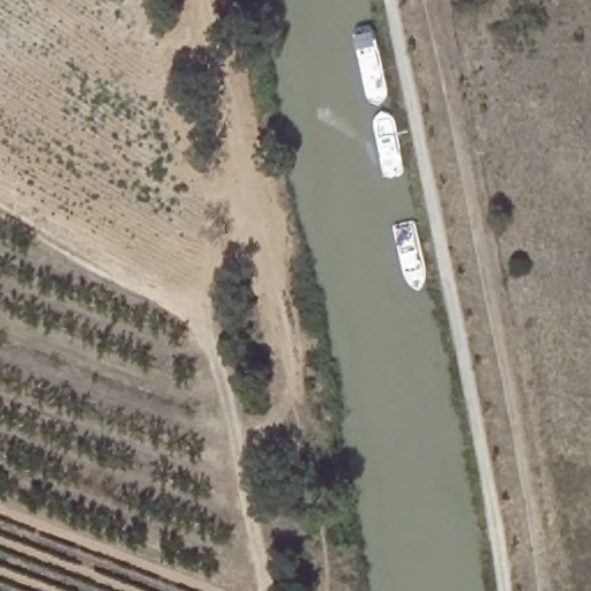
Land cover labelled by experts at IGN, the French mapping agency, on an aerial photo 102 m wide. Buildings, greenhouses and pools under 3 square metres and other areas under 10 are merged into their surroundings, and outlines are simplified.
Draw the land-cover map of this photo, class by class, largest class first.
<instances>
[{"label":"herbaceous vegetation","instance_id":"1","mask_svg":"<svg viewBox=\"0 0 591 591\"><path fill-rule=\"evenodd\" d=\"M217 18L215 0H185L178 25L162 37L152 35L150 30V18L145 14L143 0H0V143L9 150L7 164L21 180L28 182V178H35L42 182L39 201L51 205L53 217L65 212V217L72 219L76 208L92 210L97 199L106 201L109 208H115L122 201L145 203L150 201V187L139 182V169L148 171L155 180H164L166 166L171 162L175 166H182L187 159L185 152L192 145V122H187L178 113L173 102H169L166 83L169 72L173 67V58L180 48L208 46V28ZM69 60H74L78 67L88 72L90 90H109L129 97L134 118L127 120L125 115H115L113 109L106 104L97 109L95 122L90 125L85 122V113L81 111L65 115L62 102L67 88H81L78 78L65 81L60 76L69 69ZM402 30L406 39V53L420 102L432 173L436 180L448 254L455 270L457 296L469 339L471 367L482 411L494 487L499 494V510L503 519L513 591H591V0H531L547 9L549 23L547 28L531 30V35L536 37L538 53L533 60H529L526 53H513L508 46L496 44L489 32V25L494 21L508 16L510 0H492V5L480 7V12L469 9L462 14L452 9V0H397ZM494 194H506L513 203V219L503 235H494L485 222ZM515 252H526L531 256V270L529 275L513 277L508 286H501V268L510 265V256ZM305 404L312 409L316 402L323 399L326 376L305 365ZM312 448H330L328 429L321 427L316 420L309 432H302ZM263 538L270 545L272 531H293L302 536L305 524L298 517H270L265 524H261ZM309 561L321 573L316 591H351L349 584L339 582V577L353 575L356 563L362 561L365 554V549H360L358 543L349 547H335L328 543V529L319 526L316 538H309L302 545Z\"/></svg>","mask_w":591,"mask_h":591},{"label":"deciduous trees","instance_id":"2","mask_svg":"<svg viewBox=\"0 0 591 591\"><path fill-rule=\"evenodd\" d=\"M145 14L150 18V30L152 35L162 37L178 25L185 0H143ZM217 18L208 28V46L180 48L173 58V67L169 72L166 83L169 102H173L178 113L187 122H192V145L185 152L187 159L201 173H208L215 166H219V155L215 150H219L226 139V125L219 120L224 78L233 76L235 72H245L249 78L259 125L254 164L261 173L275 178L291 175L300 148V132L282 113V99L275 95V62L289 37L284 0H215ZM369 18L376 23L372 35L376 39L388 90L381 104L383 111L395 120L404 166L402 175L411 180V222L418 229L420 252L425 261L422 289L427 291L434 330L439 335V356L448 369L446 386L450 392L448 397L457 427L464 485L469 489V515L478 538L482 591H496L492 543L487 531L473 434L469 425L457 351L452 344L450 319L441 291L439 263L434 254V240L422 196L418 159L413 150L411 125L404 109L399 72L383 0H369ZM492 5V0H452V9L462 14L469 9L480 12V7ZM549 23L547 9L531 0H510L508 16L494 21L489 25V32L496 44L508 46L513 53H526L529 60H533L538 53L536 37L531 35V30L547 28ZM513 219V203L506 194H494L485 222L494 235H503ZM35 240V231L14 215L0 212V275L18 277V282H32V277H39V289L44 293L55 291L58 298H69L78 302H90L95 298L97 312L111 314V323L102 330L97 326H90V319L83 314L55 312L48 305H37L35 298L23 296L18 291H12V296L7 298L0 286V307L7 309L12 316L25 321L28 326L65 330L72 337H81L99 353H118L125 360L136 362L141 369H150V344H139L125 335H113V326L118 321L143 328V321H150V330L166 335L173 346H178L187 335V323L150 300L129 305L125 289L115 286L113 282H92L83 277L78 284H74L72 275H55L51 265H32L28 261V247ZM259 252V245L249 240L229 242L222 265L215 270L210 298L215 309V323L219 326L217 351L222 356V362L233 369L229 381L242 406V413L265 416L270 411L272 356L256 323V293L252 282L256 275L254 254ZM291 298L300 314V328L307 332V337L316 339V346L309 349L305 356V365L326 376L323 399L316 402L312 409L316 420L321 427L328 429L330 448H312L302 432L296 425H272L265 429L247 432L240 457L242 487L247 492L249 515L261 524H265L270 517H298L305 524L302 536L293 531H272L270 545L268 573L272 577V584L268 591H316L321 573L309 561L302 545L309 538H316L319 526L328 529V543L335 547H349L358 543L360 549H365L362 524L358 515L360 489L356 485V478H360L362 473L365 459L356 448H349L344 441V432L339 425V406H344V386L339 362L332 356L326 291L319 284L312 247H298L289 263ZM531 270V256L526 252H515L510 256V265L501 268V286H508L513 277L529 275ZM196 358L175 356V381L185 383L196 372ZM21 392L48 406H65L74 416L115 425L120 432H132L141 441H150L152 448L159 446L162 434H169V448L187 452L192 462L201 459L203 439L199 436V432L180 434V425H169L166 420L155 418L150 413L134 411L132 416H127L122 406H102V402L92 404L90 395L76 392L67 381L51 383L48 379H39L35 374L21 379V369L16 365L0 360V425L12 427L14 422H21L23 432L28 434L42 429L44 439L60 443L62 448H69L72 441H76L78 452L97 459L102 466L113 469H132L136 455L134 448L106 436L81 434L76 425H65L62 420L42 422L37 420L39 413L32 409H28V413H18ZM81 476L78 464L72 462L69 469H62V459L58 455L44 452L37 446L23 443L5 434L0 436V501H18L30 513L44 510L48 517L60 519L62 524L76 531H88L97 540L122 543L132 552L136 549L139 545H145L148 524L159 519V545L164 559L169 566H182L192 573H203L205 577L212 575L219 568L215 552L208 547H187L178 533L182 529H192V522H199V536H210L217 543H229L233 524L224 522L217 515H210L201 506H189L187 501H180L171 494H155L148 503H143L139 501L141 487L136 482H118L113 476H106L102 480V494L113 499L115 503H127L129 508H136V517L129 524L122 519V513L118 510H109L97 503H85V499L81 496L74 499L72 494H60L51 487L53 480L76 485ZM152 478L173 480L180 489L192 492L194 496H210L208 478H196L185 469L173 466L166 457H159L152 462ZM65 545L85 552V556L109 559L129 570L139 568L129 561L115 559L111 554L90 549L65 538ZM339 582L349 584L351 591H372L369 559L365 554L362 561L356 563L353 575L339 577Z\"/></svg>","mask_w":591,"mask_h":591},{"label":"plowed land","instance_id":"3","mask_svg":"<svg viewBox=\"0 0 591 591\"><path fill-rule=\"evenodd\" d=\"M219 120L226 125V139L219 150H215L219 155V166H215L208 173H201L187 159L182 166H175L171 162L166 166L164 180H155L148 171L139 169V182L150 187H159L162 199H178V205L173 208V212L152 215L145 203L122 201L115 208H109L106 201L97 199L92 210L76 208L72 219L65 217V212L53 217L51 205L39 201L42 182L35 178H28V182L21 180L7 164L9 150L0 143V212L14 215L35 231V240L28 247V261L32 265H51L55 275H72L74 284H78L83 277L92 282H113L115 286L125 289L129 305L150 300L187 323V335L178 346H173L166 335L150 330V321H143V328L118 321L113 326V335H125L139 344H150V369H141L136 362L125 360L118 353H99L81 337H72L65 330L28 326L25 321L12 316L7 309L0 307V360L16 365L21 369V379L35 374L39 379H48L51 383L67 381L76 392L90 395L92 404L102 402V406H122L127 416H132L134 411L150 413L155 418L166 420L169 425H180V434L199 432V436L203 439L201 459L192 462L187 452L169 448V434H162L159 446L152 448L150 441H141L132 432H120L115 425L74 416L65 406H48L21 392L18 413H28V409H32L39 413L37 420L42 422L62 420L65 425H76L81 434L106 436L134 448L136 455L132 469H113L102 466L97 459L78 452L76 441H72L69 448H62L60 443L44 439L42 429L28 434L23 432L21 422H14L12 427L0 425V436L5 434L23 443L37 446L44 452L58 455L62 459V469H69L72 462L78 464L81 476L76 485L53 480L51 487L60 494H72L74 499L81 496L85 499V503H97L109 510H118L122 513V519L129 524L136 517V508H129L127 503H115L113 499L102 494V480L106 476H113L118 482H136L141 487L139 501L143 503H148L155 494H171L180 501H187L189 506H201L210 515H217L224 522L233 524L229 543H217L210 536H199V522H192V529H182L178 533L187 547H208L215 552L219 568L212 575L217 579L215 591H268L272 584V577L268 573L270 545L263 538L261 524L249 515L247 492L242 487L240 457L247 432L265 429L272 425H296L302 432H309L316 420L312 409L305 404V356L309 349L316 346V339L307 337V332L300 328V314L291 298L289 263L298 247L296 235L289 231L286 210L279 201V187L275 178L261 173L254 164L259 125L249 78L245 72H235L233 76L224 78ZM208 203L229 205L231 219V231L212 242L199 235L201 229H210L212 224V219L205 217ZM249 240L259 245V252L254 254L256 275L252 282L256 293V323L272 356L270 411L265 416L242 413V406L229 381L233 369L222 362V356L217 351L219 326L215 323V309L210 298L215 270L222 265L229 242ZM175 356L196 358V372L185 383L175 381ZM159 457H166L173 466L185 469L196 478H208L210 496H194L192 492L180 489L173 480L152 478V462ZM0 286L7 298L12 296V291H18L23 296L35 298L37 305H48L55 312L83 314L90 319V326H97L102 330L111 323V314L97 312L95 298L90 302H78L69 298H58L55 291L44 293L39 289V277H32V282H18V277L0 275ZM159 519L148 524L145 545H139L136 549L141 556L150 561L164 559L159 545Z\"/></svg>","mask_w":591,"mask_h":591},{"label":"water","instance_id":"4","mask_svg":"<svg viewBox=\"0 0 591 591\"><path fill-rule=\"evenodd\" d=\"M289 37L275 62V95L282 99V113L300 132V148L291 175L275 178L279 187V201L286 210L289 231L296 235L298 247H312L319 284L326 291L332 356L339 362L344 386V406H339V425L344 432V441L349 448H356L365 459L362 473L360 478H356V485L360 489L358 515L362 524L365 549V554L369 559L372 591H482L478 538L469 515V489L464 485L457 427L448 397L450 392L446 386L448 369L439 356V335L434 330L427 291L422 289L425 261L420 252L418 229L411 222V180L402 175L404 166L395 120L383 111L381 104L388 90L376 39L372 35L376 23L369 18V0H284Z\"/></svg>","mask_w":591,"mask_h":591},{"label":"vineyard","instance_id":"5","mask_svg":"<svg viewBox=\"0 0 591 591\"><path fill-rule=\"evenodd\" d=\"M65 538L90 549L111 554L115 559L129 561L139 568L129 570L109 559L85 556V552L65 545ZM217 579L212 575L205 577L203 573H192L182 566H169L164 559L150 561L141 556L136 549L132 552L122 543L97 540L88 531H76L62 524L60 519L48 517L44 510L30 513L18 501H0V591H215Z\"/></svg>","mask_w":591,"mask_h":591},{"label":"pervious surface","instance_id":"6","mask_svg":"<svg viewBox=\"0 0 591 591\"><path fill-rule=\"evenodd\" d=\"M399 72L404 109L411 125L413 150L418 159L422 196L434 240V254L439 263L441 291L450 319L452 344L457 351L469 425L473 434L487 531L492 543L496 591H513L503 519L499 510V494L494 487L482 411L471 367L469 339L457 296L455 270L448 254L436 180L432 173L420 102L406 53V39L402 30L397 0H383Z\"/></svg>","mask_w":591,"mask_h":591},{"label":"brushwood","instance_id":"7","mask_svg":"<svg viewBox=\"0 0 591 591\"><path fill-rule=\"evenodd\" d=\"M69 69L60 76L65 81L78 78L81 88H67L62 102L65 115L81 111L85 113V122L90 125L95 122L97 109L106 104L113 109L115 115H125L127 120L134 118L129 97L109 90H90L88 72L78 67L74 60H69ZM152 215L173 212V208L178 205V199H162L159 187H150V201L145 203ZM205 217L212 219V224L210 229H201L199 235L212 242L231 231V219L229 205L208 203Z\"/></svg>","mask_w":591,"mask_h":591}]
</instances>
